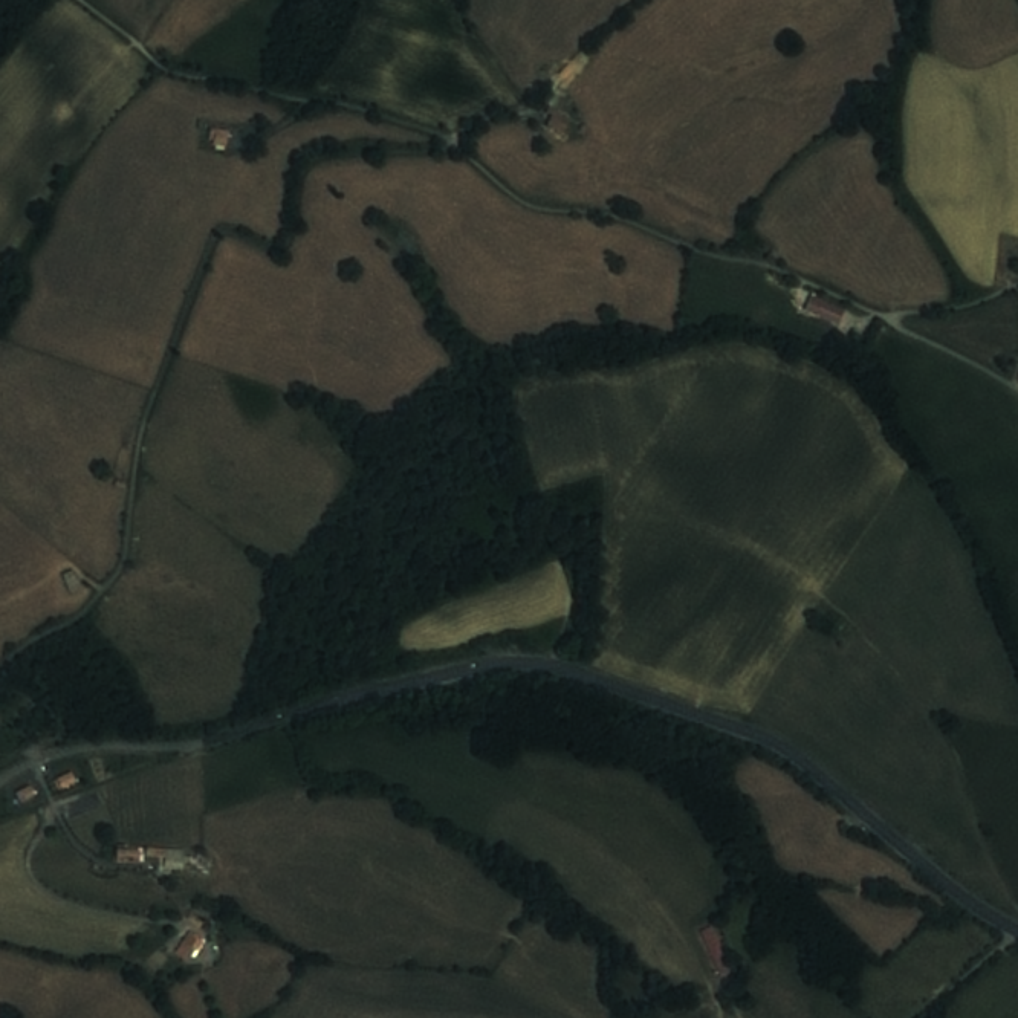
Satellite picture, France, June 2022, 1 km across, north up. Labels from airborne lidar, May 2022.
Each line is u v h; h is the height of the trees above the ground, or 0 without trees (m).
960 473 0
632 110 0
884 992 0
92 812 0
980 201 0
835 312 0
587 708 31
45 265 0
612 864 0
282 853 0
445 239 0
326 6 17
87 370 0
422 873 0
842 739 0
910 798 0
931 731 0
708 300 0
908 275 0
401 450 29
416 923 0
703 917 0
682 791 26
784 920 16
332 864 0
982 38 0
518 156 0
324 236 0
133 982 18
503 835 0
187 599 0
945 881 0
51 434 0
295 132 0
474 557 25
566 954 0
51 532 0
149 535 0
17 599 0
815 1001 0
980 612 0
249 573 0
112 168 0
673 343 22
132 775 0
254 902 0
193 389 0
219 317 0
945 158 0
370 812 0
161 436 0
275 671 23
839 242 0
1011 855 0
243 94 13
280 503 0
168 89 0
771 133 0
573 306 0
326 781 9
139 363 0
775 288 0
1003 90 0
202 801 0
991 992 0
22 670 16
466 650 8
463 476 12
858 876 0
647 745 25
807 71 0
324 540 24
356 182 0
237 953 0
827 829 0
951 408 0
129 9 0
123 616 0
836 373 17
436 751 0
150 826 0
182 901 0
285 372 0
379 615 11
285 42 14
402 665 17
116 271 0
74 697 13
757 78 0
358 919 0
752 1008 19
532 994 0
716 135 0
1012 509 0
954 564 0
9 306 13
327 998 0
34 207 15
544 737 27
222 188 0
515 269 0
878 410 12
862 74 0
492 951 0
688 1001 19
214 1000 13
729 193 0
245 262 0
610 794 0
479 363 18
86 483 0
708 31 0
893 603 0
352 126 0
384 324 0
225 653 0
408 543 23
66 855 0
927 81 0
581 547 16
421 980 0
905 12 22
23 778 0
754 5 0
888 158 17
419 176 0
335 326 0
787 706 0
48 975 0
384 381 0
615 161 0
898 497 0
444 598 9
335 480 0
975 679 0
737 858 16
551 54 0
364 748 0
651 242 0
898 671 0
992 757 0
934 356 0
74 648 12
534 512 24
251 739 12
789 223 0
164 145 0
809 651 0
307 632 18
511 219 0
